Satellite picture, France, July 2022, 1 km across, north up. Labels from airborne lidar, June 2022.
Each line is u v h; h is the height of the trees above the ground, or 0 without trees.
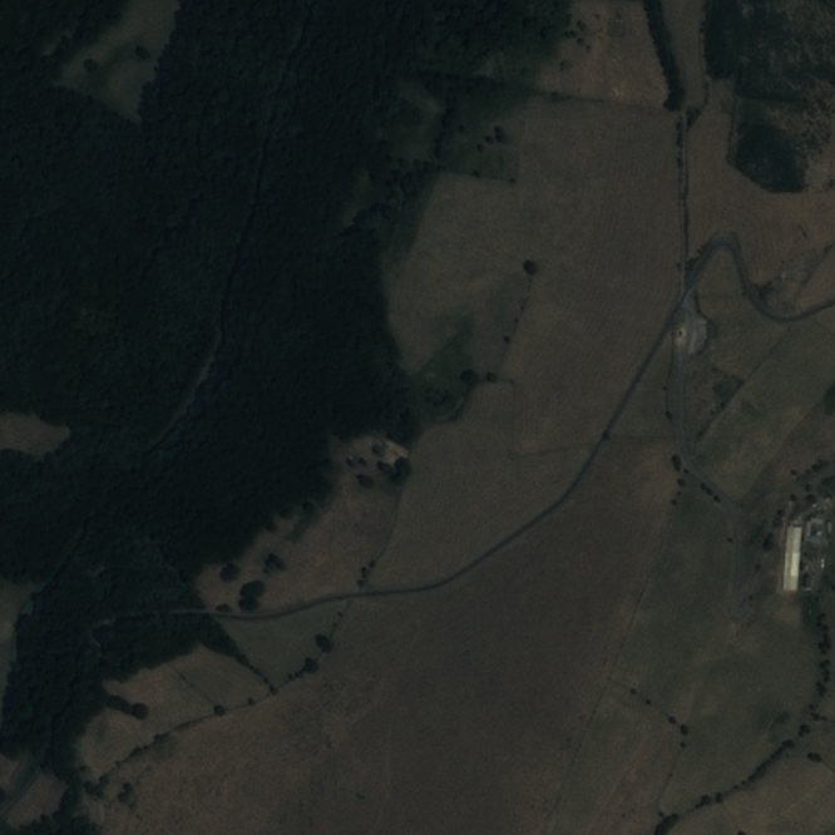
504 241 0
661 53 12
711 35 0
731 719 0
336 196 22
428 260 0
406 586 0
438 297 0
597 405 0
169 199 19
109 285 21
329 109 31
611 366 0
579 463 0
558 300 0
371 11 24
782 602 0
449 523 0
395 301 0
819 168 0
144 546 7
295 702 0
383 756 0
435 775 0
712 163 0
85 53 0
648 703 8
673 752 0
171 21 0
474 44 17
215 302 23
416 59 10
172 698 0
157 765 0
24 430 0
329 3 28
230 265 24
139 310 16
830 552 0
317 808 0
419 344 0
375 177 16
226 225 26
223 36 22
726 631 0
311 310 25
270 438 23
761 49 0
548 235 0
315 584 0
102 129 27
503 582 0
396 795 0
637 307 0
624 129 0
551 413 0
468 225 0
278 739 0
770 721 0
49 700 28
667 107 10
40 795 0
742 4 0
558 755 0
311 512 12
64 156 31
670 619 0
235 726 0
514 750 0
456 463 0
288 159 27
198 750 0
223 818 0
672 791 0
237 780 0
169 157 30
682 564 0
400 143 0
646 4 9
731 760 0
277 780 0
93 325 7
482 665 0
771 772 0
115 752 0
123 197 33
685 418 0
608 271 0
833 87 0
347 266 24
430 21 12
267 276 32
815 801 0
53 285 22
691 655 0
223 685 0
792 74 0
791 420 0
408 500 0
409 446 14
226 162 8
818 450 0
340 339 20
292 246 25
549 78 0
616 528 0
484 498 0
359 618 0
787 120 0
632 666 0
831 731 0
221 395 23
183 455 28
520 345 0
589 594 0
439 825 0
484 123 0
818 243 0
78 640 19
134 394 19
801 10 0
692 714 0
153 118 27
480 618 0
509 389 0
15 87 20
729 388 0
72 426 19
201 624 17
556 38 15
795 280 0
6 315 20
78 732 12
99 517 23
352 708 0
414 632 0
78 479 23
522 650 0
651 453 0
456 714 0
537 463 0
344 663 0
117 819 0
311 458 20
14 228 28
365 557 0
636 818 0
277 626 0
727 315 0
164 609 7
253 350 22
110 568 8
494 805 0
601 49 0
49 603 26
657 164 0
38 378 15
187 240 23
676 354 0
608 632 0
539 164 0
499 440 0
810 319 0
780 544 0
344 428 22
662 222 0
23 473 21
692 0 0
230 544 22
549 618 0
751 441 0
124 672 17
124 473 25
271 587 0
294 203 30
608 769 0
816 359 0
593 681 0
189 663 0
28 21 12
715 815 0
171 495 29
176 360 10
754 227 0
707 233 0
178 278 22
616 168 0
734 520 0
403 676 0
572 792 0
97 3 23
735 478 0
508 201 0
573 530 0
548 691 0
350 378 24
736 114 0
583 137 0
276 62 27
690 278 0
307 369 22
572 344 0
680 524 0
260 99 25
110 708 15
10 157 30
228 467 25
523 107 0
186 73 25
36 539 25
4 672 0
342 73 25
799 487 0
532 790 0
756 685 0
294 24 23
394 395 19
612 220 0
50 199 26
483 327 0
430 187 0
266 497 25
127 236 31
